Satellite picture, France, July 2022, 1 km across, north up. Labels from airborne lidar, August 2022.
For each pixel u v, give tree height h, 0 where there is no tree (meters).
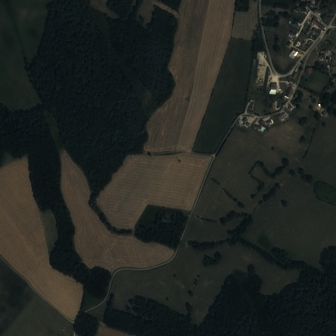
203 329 19
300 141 9
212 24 0
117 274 0
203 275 0
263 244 0
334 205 0
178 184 0
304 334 21
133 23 24
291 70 0
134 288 0
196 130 0
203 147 0
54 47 22
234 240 10
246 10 10
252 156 0
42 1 0
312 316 21
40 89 24
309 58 0
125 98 19
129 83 21
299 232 0
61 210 26
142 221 0
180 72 0
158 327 24
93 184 19
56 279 0
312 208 0
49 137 21
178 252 0
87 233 0
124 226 0
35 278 0
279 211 0
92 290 22
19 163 0
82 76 18
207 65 0
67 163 0
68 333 0
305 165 0
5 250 0
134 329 18
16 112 0
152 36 17
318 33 0
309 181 16
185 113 0
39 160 22
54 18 20
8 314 0
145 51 19
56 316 0
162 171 0
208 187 0
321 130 0
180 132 0
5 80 0
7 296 0
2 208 0
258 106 0
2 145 12
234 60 0
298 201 0
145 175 0
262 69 0
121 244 0
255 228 0
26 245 0
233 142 0
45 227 0
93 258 0
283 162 14
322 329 25
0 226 0
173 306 0
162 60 13
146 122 14
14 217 0
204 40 0
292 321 20
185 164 0
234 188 0
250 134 0
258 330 28
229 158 0
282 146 0
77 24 15
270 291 0
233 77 0
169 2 14
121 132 9
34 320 0
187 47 0
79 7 17
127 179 0
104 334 0
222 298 17
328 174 0
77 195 0
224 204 0
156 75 16
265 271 0
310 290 28
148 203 0
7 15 0
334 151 0
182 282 0
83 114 17
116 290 0
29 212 0
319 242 0
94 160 11
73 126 19
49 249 0
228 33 0
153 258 0
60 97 19
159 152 0
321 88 0
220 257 20
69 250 25
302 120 16
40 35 0
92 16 11
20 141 21
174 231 15
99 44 22
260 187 14
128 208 0
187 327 26
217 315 18
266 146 0
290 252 0
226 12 0
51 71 22
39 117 18
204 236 0
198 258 0
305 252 0
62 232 25
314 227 0
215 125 0
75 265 28
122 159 10
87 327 23
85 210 0
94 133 14
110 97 21
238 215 12
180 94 0
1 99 0
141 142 10
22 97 0
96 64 23
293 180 0
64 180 0
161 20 20
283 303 24
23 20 0
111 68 22
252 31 0
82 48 17
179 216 10
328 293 24
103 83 21
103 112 22
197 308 0
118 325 20
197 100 0
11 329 0
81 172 0
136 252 0
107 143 16
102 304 0
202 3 0
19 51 0
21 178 0
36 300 0
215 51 0
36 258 0
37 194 25
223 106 0
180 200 0
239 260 0
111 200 0
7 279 0
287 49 0
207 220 7
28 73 15
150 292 0
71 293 0
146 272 0
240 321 21
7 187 0
